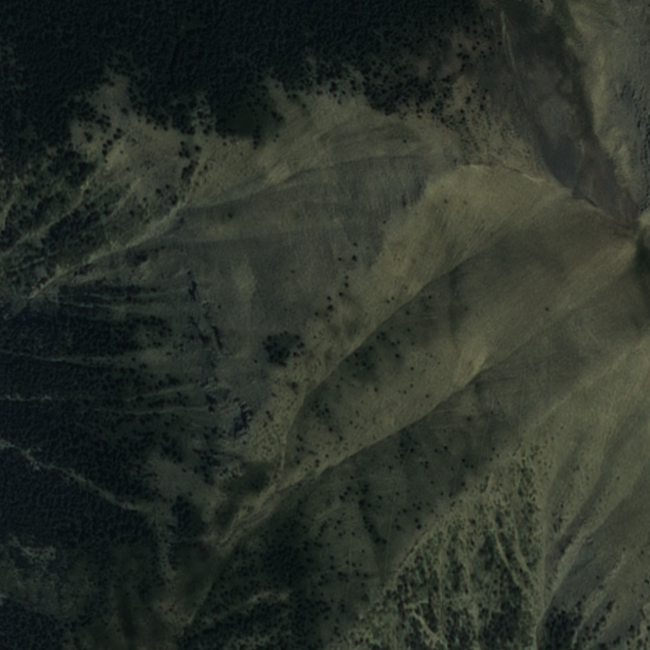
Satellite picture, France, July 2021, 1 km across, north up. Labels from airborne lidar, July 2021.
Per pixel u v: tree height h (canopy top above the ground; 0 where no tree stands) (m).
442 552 0
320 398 0
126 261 0
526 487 0
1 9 19
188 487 0
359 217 0
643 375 0
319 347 0
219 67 10
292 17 11
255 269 0
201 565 0
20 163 11
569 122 0
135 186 0
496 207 0
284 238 0
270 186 0
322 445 0
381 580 0
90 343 14
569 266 0
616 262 0
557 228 0
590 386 0
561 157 0
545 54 0
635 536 0
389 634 0
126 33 11
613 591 0
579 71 0
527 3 0
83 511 13
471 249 0
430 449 0
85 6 17
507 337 0
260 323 0
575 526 0
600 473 0
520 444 0
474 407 0
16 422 8
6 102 10
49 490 10
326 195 0
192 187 0
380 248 0
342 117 0
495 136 0
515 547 0
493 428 0
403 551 0
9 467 8
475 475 0
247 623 7
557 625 8
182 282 0
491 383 0
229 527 0
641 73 0
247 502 0
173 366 0
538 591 0
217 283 0
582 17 0
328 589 0
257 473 0
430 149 0
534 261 0
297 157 0
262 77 10
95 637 0
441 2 10
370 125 0
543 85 0
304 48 10
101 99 0
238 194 0
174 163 0
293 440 0
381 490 0
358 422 0
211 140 0
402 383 0
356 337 0
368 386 0
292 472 0
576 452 0
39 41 11
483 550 6
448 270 0
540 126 0
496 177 0
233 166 0
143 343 0
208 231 0
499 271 0
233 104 12
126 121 0
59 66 21
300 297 0
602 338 0
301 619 9
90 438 10
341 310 0
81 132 0
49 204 13
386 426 0
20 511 8
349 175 0
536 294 0
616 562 0
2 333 7
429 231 0
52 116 16
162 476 0
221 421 0
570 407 0
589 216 0
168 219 0
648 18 0
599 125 0
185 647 7
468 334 0
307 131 0
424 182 0
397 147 0
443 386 0
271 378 0
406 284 0
